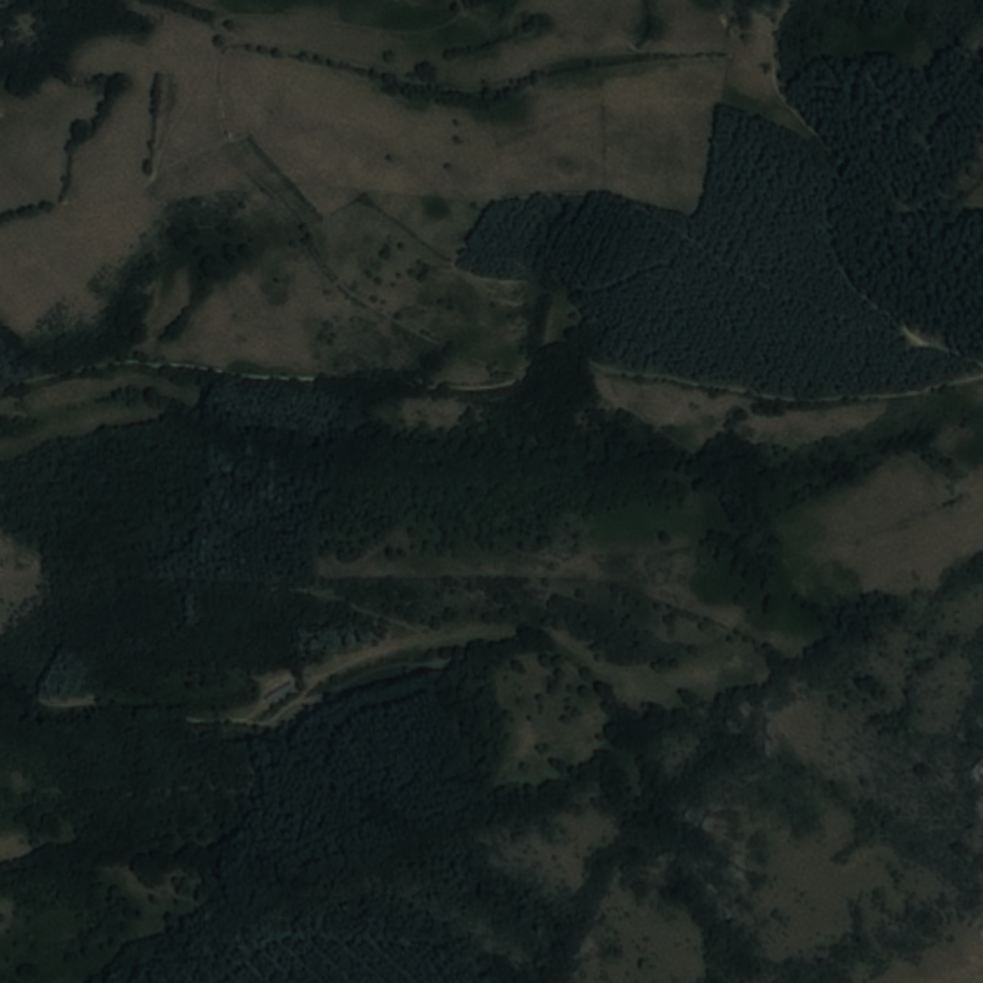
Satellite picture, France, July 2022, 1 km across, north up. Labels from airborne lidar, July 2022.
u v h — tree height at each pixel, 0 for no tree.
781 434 0
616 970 0
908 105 35
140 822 13
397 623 0
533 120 0
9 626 7
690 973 0
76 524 10
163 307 0
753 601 0
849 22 7
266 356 0
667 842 8
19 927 0
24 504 6
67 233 0
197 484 15
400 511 9
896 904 0
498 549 8
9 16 12
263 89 0
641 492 9
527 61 0
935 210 39
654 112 0
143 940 14
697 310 20
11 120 0
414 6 0
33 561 0
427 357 10
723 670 0
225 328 0
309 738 32
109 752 8
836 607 7
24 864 14
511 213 13
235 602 12
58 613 7
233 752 13
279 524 20
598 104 0
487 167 0
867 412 0
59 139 0
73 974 0
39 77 11
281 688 0
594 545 0
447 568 0
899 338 18
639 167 0
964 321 31
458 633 0
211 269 14
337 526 12
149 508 10
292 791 28
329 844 26
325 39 0
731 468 26
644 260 16
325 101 0
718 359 18
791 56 10
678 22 0
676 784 7
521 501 11
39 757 9
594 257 31
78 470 10
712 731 7
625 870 10
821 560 0
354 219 0
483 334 0
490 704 9
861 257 31
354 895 11
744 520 22
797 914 0
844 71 30
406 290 0
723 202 19
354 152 0
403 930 19
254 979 17
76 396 0
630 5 0
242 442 22
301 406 24
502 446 21
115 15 16
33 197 0
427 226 0
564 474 10
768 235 17
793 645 0
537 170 0
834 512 0
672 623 9
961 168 26
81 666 22
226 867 31
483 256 16
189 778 7
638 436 7
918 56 0
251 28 0
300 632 20
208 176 0
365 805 25
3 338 17
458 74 0
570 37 0
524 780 0
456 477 10
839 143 23
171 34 0
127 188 0
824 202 21
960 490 0
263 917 16
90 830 13
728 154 17
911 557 0
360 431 18
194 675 17
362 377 9
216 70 0
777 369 20
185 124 0
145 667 15
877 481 0
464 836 8
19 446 0
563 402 23
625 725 22
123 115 0
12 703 23
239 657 16
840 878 0
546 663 9
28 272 0
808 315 22
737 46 0
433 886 6
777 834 0
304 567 16
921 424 9
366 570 0
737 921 8
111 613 8
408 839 30
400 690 28
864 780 6
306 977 16
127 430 14
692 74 0
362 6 0
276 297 0
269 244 0
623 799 6
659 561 0
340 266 0
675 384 7
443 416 0
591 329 16
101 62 0
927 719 0
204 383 13
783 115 0
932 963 0
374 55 0
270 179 0
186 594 10
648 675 0
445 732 30
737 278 18
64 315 0
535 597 0
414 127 0
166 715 18
